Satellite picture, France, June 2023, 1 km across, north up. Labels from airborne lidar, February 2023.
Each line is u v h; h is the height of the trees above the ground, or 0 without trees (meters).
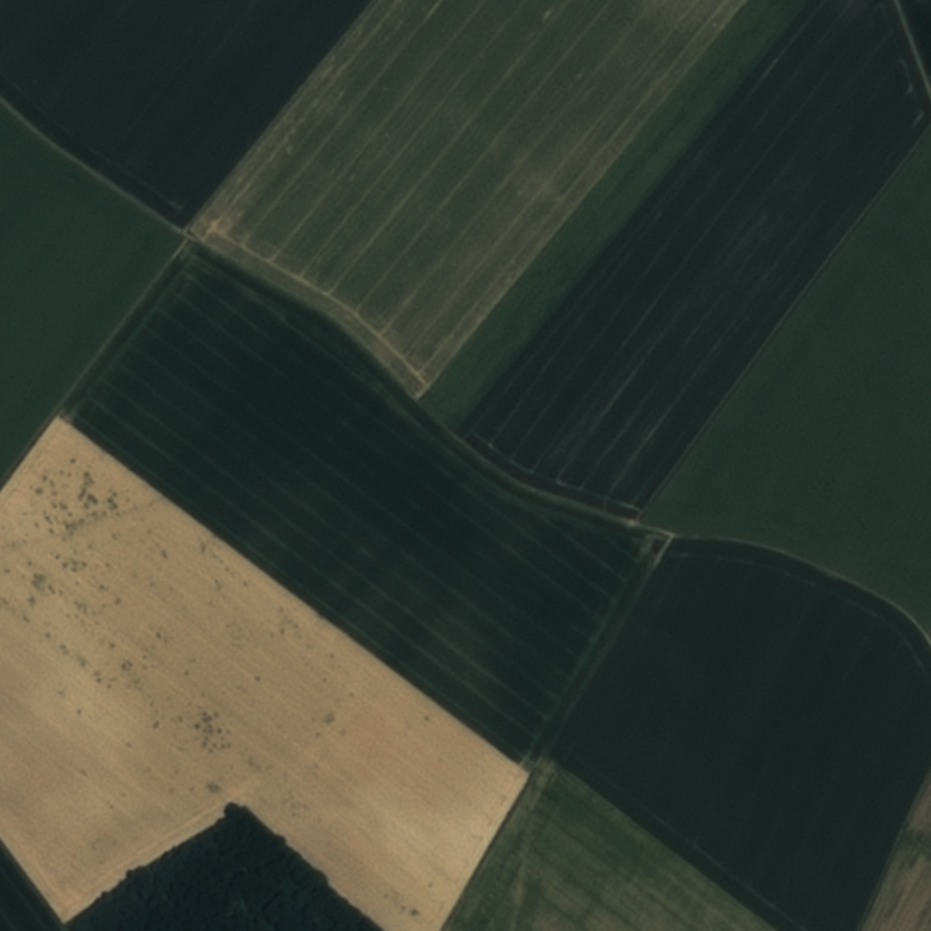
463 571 0
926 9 0
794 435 0
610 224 0
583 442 0
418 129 0
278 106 0
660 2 0
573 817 0
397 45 0
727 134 0
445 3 0
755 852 0
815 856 0
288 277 0
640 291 0
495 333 0
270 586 0
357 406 0
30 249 0
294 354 0
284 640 0
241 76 0
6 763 0
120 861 0
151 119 0
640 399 0
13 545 0
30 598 0
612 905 0
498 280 0
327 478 0
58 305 0
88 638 0
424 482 0
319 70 0
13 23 0
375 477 0
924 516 0
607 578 0
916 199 0
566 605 0
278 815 0
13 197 0
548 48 0
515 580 0
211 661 0
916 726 0
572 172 0
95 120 0
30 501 0
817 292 0
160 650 0
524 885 0
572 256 0
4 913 0
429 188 0
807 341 0
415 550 0
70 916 0
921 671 0
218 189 0
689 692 0
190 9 0
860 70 0
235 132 0
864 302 0
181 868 17
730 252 0
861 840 0
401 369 0
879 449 0
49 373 0
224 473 0
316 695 0
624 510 0
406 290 0
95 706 0
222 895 14
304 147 0
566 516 0
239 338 0
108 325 0
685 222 0
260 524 0
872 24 0
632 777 0
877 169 0
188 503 0
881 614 0
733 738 0
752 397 0
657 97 0
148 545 0
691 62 0
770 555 0
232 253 0
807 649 0
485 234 0
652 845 0
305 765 0
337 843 0
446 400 0
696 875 0
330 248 0
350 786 0
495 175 0
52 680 0
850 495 0
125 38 0
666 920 0
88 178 0
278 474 0
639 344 0
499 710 0
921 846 0
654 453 0
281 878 15
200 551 0
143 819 0
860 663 0
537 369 0
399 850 0
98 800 0
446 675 0
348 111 0
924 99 0
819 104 0
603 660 0
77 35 0
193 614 0
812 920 0
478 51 0
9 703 0
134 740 0
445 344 0
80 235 0
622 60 0
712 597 0
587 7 0
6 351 0
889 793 0
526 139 0
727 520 0
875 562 0
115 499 0
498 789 0
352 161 0
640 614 0
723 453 0
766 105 0
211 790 0
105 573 0
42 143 0
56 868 0
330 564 0
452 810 0
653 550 0
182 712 0
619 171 0
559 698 0
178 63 0
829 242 0
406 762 0
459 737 0
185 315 0
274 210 0
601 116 0
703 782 0
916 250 0
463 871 0
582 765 0
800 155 0
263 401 0
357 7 0
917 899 0
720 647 0
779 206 0
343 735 0
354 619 0
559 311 0
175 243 0
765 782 0
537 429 0
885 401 0
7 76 0
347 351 0
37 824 0
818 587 0
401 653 0
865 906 0
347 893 0
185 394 0
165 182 0
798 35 0
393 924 0
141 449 0
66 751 0
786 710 0
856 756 0
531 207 0
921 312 0
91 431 0
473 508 0
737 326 0
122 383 0
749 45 0
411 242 0
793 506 0
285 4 0
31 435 0
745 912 0
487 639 0
